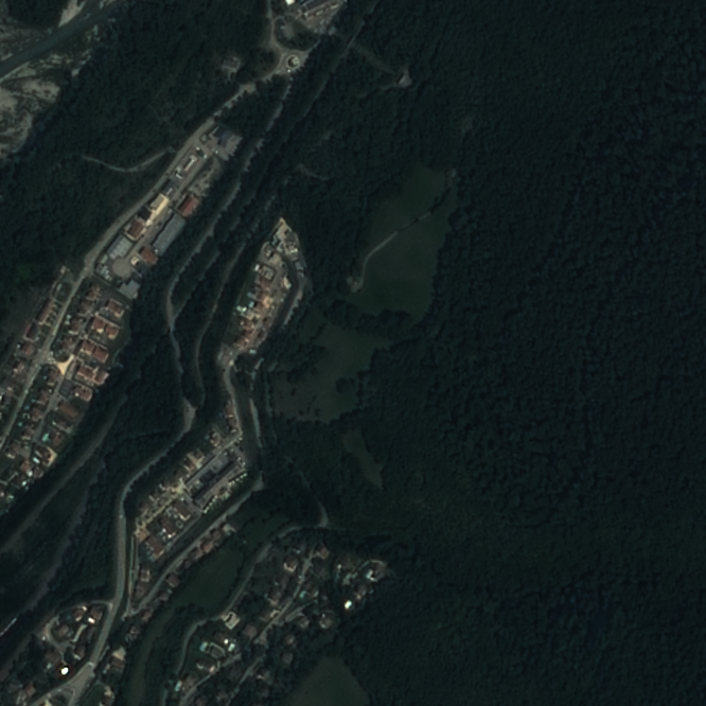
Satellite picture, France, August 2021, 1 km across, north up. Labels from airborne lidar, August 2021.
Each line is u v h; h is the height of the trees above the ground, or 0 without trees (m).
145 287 10
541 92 17
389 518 12
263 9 9
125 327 0
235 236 16
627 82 16
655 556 22
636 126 23
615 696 14
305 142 13
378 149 19
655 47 18
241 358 9
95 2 0
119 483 7
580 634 25
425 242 0
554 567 18
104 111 11
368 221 17
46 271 6
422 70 17
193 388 16
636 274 24
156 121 9
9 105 0
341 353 0
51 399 0
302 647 9
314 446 12
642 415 17
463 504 10
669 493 21
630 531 23
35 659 9
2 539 9
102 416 9
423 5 19
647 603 22
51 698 0
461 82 13
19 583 9
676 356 18
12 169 17
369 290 0
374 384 14
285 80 12
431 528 11
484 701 11
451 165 11
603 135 17
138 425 14
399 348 15
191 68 10
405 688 13
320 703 0
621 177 16
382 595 9
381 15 14
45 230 20
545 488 15
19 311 0
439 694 10
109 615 0
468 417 22
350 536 7
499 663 23
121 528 0
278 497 23
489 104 13
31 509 7
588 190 16
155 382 22
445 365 23
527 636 28
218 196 9
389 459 12
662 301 25
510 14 19
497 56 13
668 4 23
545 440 21
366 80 15
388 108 13
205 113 8
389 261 0
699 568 15
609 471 21
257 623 8
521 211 17
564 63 14
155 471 10
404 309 0
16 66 0
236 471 0
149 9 24
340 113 14
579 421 15
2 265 23
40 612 11
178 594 7
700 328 15
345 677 0
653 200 8
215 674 6
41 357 0
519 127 17
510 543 17
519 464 22
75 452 6
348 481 12
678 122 21
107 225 7
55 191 11
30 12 12
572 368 13
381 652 12
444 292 20
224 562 0
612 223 24
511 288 20
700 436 13
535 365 21
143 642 9
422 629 11
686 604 23
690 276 23
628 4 26
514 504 16
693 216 27
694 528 13
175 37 29
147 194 0
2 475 6
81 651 0
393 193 14
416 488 10
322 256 18
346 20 19
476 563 14
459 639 17
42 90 0
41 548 13
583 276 21
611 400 25
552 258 21
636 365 23
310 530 14
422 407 11
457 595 31
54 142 23
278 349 11
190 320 18
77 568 9
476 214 19
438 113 13
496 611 27
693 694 24
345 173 9
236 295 6
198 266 10
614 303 20
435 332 25
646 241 20
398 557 23
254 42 11
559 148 18
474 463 21
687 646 17
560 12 17
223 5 7
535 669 26
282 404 0
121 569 0
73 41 0
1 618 9
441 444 18
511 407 23
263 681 13
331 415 0
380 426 12
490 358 18
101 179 8
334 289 17
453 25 12
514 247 19
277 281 0
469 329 25
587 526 15
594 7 20
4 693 9
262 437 8
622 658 17
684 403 20
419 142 15
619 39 19
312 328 0
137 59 20
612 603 26
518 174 16
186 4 5
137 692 0
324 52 13
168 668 17
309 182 17
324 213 19
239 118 10
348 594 10
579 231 22
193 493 0
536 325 20
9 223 31
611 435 26
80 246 10
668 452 25
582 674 18
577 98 17
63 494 7
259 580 11
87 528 9
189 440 9
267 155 19
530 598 32
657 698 20
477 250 19
